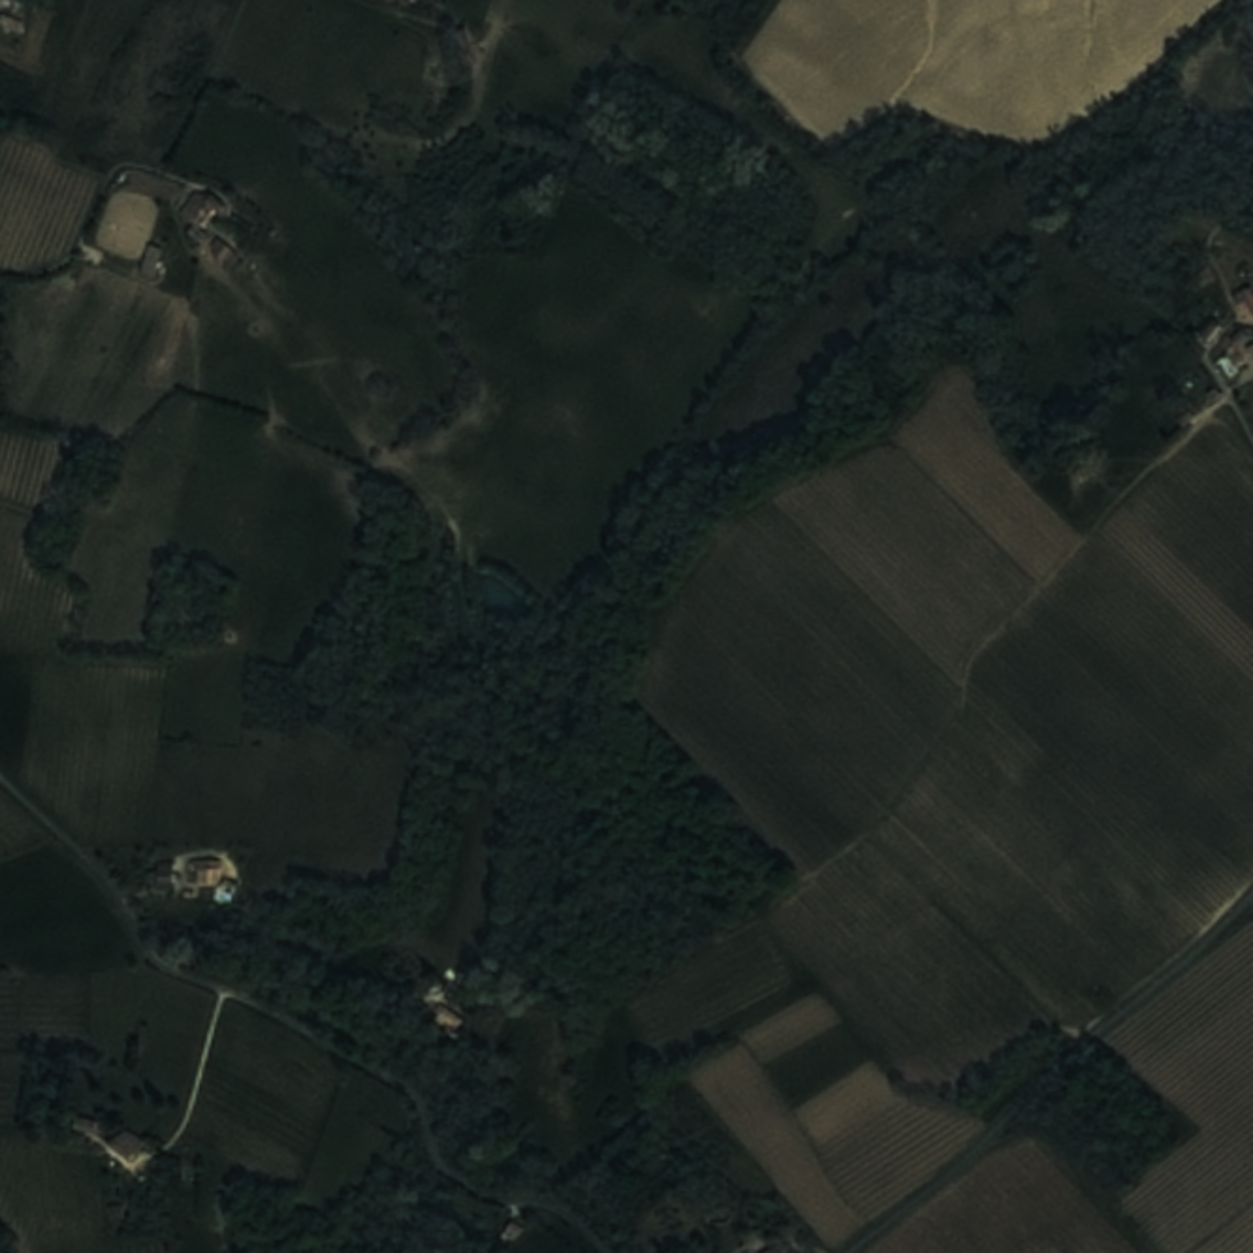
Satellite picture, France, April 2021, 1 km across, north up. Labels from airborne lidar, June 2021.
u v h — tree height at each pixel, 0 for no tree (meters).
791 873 23
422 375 0
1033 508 0
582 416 0
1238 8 10
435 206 10
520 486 0
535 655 20
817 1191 0
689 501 27
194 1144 0
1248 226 15
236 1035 0
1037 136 0
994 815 0
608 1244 10
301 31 0
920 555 0
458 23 11
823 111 0
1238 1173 0
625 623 25
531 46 0
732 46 10
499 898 18
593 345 0
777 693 0
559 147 17
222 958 29
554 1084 0
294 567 0
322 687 21
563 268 0
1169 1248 0
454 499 0
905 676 0
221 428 0
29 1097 9
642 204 20
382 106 9
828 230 0
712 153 24
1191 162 24
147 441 0
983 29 0
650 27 0
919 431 0
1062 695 0
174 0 0
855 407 21
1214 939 0
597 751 27
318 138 21
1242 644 0
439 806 22
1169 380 0
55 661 0
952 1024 0
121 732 0
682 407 0
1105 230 19
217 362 0
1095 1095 20
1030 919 0
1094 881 0
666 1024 0
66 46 0
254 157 0
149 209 0
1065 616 0
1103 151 9
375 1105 0
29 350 0
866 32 0
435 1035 20
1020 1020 0
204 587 20
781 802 0
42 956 0
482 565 7
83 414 0
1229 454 0
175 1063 0
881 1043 0
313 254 0
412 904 19
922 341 16
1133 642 0
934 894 0
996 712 0
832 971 0
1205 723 0
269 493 0
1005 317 23
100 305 0
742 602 0
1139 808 0
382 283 0
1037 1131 11
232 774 0
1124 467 0
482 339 0
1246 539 0
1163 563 0
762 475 17
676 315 0
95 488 22
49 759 0
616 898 22
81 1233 0
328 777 0
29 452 0
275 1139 0
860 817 0
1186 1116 0
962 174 19
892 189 16
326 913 17
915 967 0
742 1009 0
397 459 0
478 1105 23
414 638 20
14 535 0
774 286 24
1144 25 0
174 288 0
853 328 0
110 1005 0
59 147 19
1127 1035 0
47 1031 0
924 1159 0
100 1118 9
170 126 0
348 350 0
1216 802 0
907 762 0
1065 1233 0
